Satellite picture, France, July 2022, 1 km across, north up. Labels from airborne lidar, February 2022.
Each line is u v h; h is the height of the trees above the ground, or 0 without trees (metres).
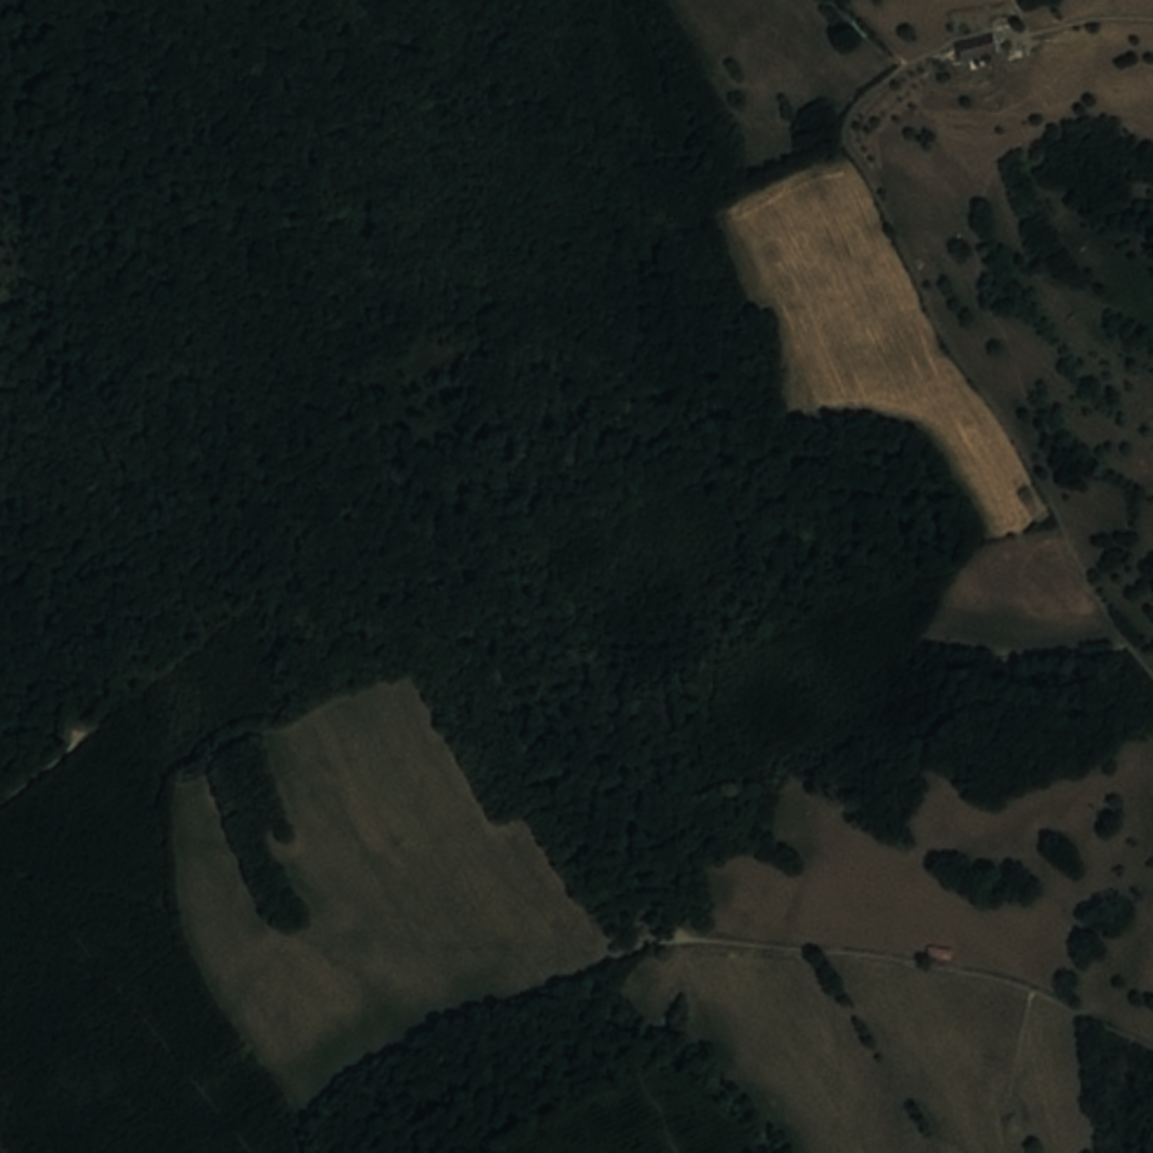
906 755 20
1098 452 8
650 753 17
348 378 22
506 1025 22
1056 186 15
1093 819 0
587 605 11
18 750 24
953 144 0
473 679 21
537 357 21
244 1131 6
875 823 18
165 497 23
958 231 0
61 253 20
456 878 0
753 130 0
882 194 8
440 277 17
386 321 21
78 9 23
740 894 0
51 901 8
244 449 22
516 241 19
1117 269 0
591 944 0
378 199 15
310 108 25
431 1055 24
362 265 19
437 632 21
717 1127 0
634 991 0
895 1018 0
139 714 7
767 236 0
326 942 0
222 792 17
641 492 20
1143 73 0
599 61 23
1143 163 11
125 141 21
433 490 22
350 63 23
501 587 20
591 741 25
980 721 28
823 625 12
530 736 27
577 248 20
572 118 23
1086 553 0
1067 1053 0
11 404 17
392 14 20
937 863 21
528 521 24
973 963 0
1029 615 0
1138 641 11
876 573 24
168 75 29
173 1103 6
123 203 27
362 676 19
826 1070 0
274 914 18
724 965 0
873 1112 0
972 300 0
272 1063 0
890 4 0
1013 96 0
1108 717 24
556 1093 26
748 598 12
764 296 0
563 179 22
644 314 26
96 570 19
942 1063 0
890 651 11
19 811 8
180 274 22
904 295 0
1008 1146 0
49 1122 6
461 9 17
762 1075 0
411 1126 26
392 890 0
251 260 26
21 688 21
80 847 8
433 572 23
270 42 23
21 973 8
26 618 23
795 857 19
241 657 6
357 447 24
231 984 0
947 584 8
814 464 21
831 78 0
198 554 16
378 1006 0
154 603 20
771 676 9
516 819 15
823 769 16
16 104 6
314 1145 25
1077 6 0
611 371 21
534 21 19
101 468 23
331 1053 0
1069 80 0
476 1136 16
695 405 28
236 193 26
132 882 7
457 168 21
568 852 20
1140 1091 18
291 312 23
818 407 0
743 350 25
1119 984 11
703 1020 0
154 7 24
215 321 20
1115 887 0
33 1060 8
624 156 25
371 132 20
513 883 0
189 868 0
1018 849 0
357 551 20
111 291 26
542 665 25
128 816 8
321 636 22
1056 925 0
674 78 14
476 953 0
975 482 0
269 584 21
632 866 24
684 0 0
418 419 22
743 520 14
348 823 0
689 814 22
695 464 21
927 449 23
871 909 0
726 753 10
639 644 10
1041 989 0
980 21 0
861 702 12
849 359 0
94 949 6
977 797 22
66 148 27
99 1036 7
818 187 0
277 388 22
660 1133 0
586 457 26
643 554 10
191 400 21
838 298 0
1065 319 0
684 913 19
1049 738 29
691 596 11
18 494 21
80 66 26
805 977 0
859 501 26
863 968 0
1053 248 11
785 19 0
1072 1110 0
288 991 0
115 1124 6
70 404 24
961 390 0
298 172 23
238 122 23
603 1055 21
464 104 10
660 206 20
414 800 0
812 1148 0
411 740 0
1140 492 12
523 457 22
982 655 16
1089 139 10
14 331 24
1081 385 9
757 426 25
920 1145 0
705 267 24
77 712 19
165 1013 7
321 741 0
